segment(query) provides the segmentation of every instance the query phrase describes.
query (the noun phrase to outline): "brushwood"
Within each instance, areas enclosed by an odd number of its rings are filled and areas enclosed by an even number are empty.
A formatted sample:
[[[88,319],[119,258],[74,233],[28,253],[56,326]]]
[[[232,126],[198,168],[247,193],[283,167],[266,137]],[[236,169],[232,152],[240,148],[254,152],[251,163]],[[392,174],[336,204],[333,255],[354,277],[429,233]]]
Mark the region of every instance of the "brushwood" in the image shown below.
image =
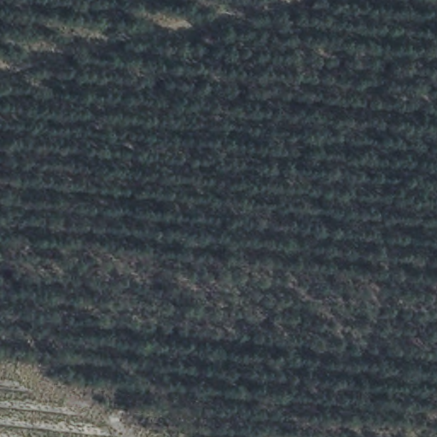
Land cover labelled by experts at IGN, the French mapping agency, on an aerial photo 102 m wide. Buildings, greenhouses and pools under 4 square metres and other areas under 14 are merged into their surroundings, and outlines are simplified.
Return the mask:
[[[80,280],[85,277],[89,282],[96,278],[97,273],[102,270],[101,266],[97,266],[96,258],[90,258],[90,251],[72,251],[70,258],[73,259],[73,266],[70,277]]]
[[[437,277],[437,268],[411,263],[389,263],[389,271],[403,270],[408,275]]]
[[[0,147],[12,140],[27,140],[39,145],[65,143],[79,147],[90,143],[94,149],[104,147],[123,152],[143,152],[147,150],[147,137],[152,135],[265,145],[270,130],[314,133],[316,123],[239,118],[234,114],[212,114],[205,111],[184,113],[184,119],[203,121],[203,130],[159,126],[145,128],[104,123],[104,114],[167,118],[176,111],[179,101],[196,102],[198,92],[205,85],[203,75],[176,75],[174,67],[212,65],[229,70],[229,61],[215,56],[215,51],[220,50],[225,41],[225,36],[207,38],[201,44],[205,46],[205,55],[201,56],[126,50],[119,56],[121,60],[162,61],[166,65],[166,72],[155,72],[152,79],[154,84],[145,89],[121,84],[80,84],[82,73],[128,77],[128,70],[101,67],[77,60],[73,56],[68,60],[70,70],[75,72],[72,80],[48,79],[50,99],[0,94],[0,126],[3,123],[32,126],[32,118],[46,118],[46,126],[50,128],[90,128],[96,131],[96,137],[51,137],[44,133],[34,135],[29,131],[5,131],[0,128]],[[70,111],[73,102],[67,101],[67,94],[160,97],[166,99],[167,106],[149,108],[92,102],[90,113],[77,113]]]
[[[222,94],[210,92],[207,96],[208,104],[236,108],[246,104],[249,92],[258,92],[259,82],[237,80],[239,92],[236,97],[229,99]]]
[[[287,113],[319,113],[362,121],[384,119],[387,123],[420,125],[425,111],[437,106],[437,99],[430,99],[428,94],[420,97],[410,92],[389,94],[386,89],[389,84],[425,84],[430,90],[437,89],[437,79],[417,73],[394,73],[394,67],[423,67],[437,70],[437,58],[427,60],[410,56],[382,55],[381,70],[357,70],[352,67],[348,51],[324,50],[319,46],[318,55],[329,60],[336,58],[338,67],[314,67],[307,38],[338,38],[350,43],[389,46],[406,44],[411,48],[437,50],[437,39],[393,34],[396,27],[437,31],[437,19],[389,20],[372,15],[338,14],[335,22],[387,27],[384,36],[365,36],[360,32],[302,27],[299,24],[299,17],[290,19],[290,27],[299,38],[299,44],[287,46],[282,55],[300,53],[300,65],[282,65],[270,60],[258,63],[259,55],[273,51],[273,38],[283,38],[283,31],[278,26],[259,26],[256,20],[249,24],[248,31],[266,34],[266,43],[236,41],[237,51],[251,51],[249,60],[241,60],[241,67],[246,72],[263,73],[266,70],[273,70],[275,73],[312,73],[318,77],[333,75],[335,80],[331,85],[299,84],[304,92],[357,97],[365,101],[364,108],[340,108],[335,104],[321,101],[287,101],[278,97],[268,97],[261,109],[283,109]],[[341,87],[343,79],[358,82],[364,79],[377,79],[377,85],[365,90],[350,87],[345,89]],[[376,101],[417,102],[418,108],[410,113],[382,111],[376,109]]]
[[[24,227],[24,218],[58,218],[63,220],[63,227]],[[162,295],[171,290],[178,283],[178,277],[166,280],[164,271],[193,271],[196,263],[137,258],[130,249],[181,251],[184,242],[77,232],[70,230],[70,225],[79,222],[79,213],[36,208],[27,210],[20,208],[19,205],[14,207],[0,203],[0,239],[3,236],[24,236],[56,241],[101,244],[109,242],[123,248],[119,259],[130,265],[131,270],[152,271],[154,275],[150,278],[150,288],[157,290],[160,290]]]
[[[430,338],[432,343],[437,343],[437,314],[418,314],[405,311],[401,307],[398,309],[398,316],[394,318],[393,326],[415,329],[415,336],[420,340]]]
[[[422,254],[437,258],[437,248],[411,244],[386,246],[386,253],[389,254]]]
[[[437,0],[364,0],[362,5],[387,10],[437,10]]]
[[[432,411],[430,417],[427,413],[403,413],[403,418],[415,423],[425,423],[427,427],[437,427],[437,411]]]
[[[130,229],[150,229],[159,232],[184,230],[189,234],[210,236],[224,234],[232,220],[239,217],[241,210],[229,207],[213,208],[210,205],[188,205],[183,201],[159,201],[150,198],[143,200],[137,196],[102,195],[102,188],[133,188],[140,191],[157,189],[162,193],[186,193],[215,198],[227,196],[258,203],[287,201],[292,205],[336,208],[343,212],[376,210],[406,217],[437,218],[437,208],[399,207],[377,201],[365,203],[355,200],[328,200],[326,196],[329,189],[347,191],[347,181],[323,181],[299,176],[288,178],[287,174],[288,167],[295,166],[311,171],[341,169],[347,172],[362,172],[367,176],[398,178],[398,184],[357,184],[355,193],[377,195],[399,193],[413,178],[437,181],[437,137],[406,135],[405,131],[376,128],[328,126],[328,133],[333,137],[345,135],[374,140],[401,140],[403,147],[396,150],[379,149],[372,145],[326,143],[324,152],[352,154],[355,157],[376,154],[381,159],[411,157],[415,160],[415,167],[394,169],[353,166],[352,162],[347,160],[312,160],[318,152],[318,147],[306,142],[297,142],[297,157],[271,157],[239,152],[229,152],[225,155],[225,160],[229,162],[239,160],[244,164],[277,166],[277,176],[266,176],[253,171],[218,171],[212,166],[195,167],[193,160],[205,159],[213,149],[162,147],[155,162],[113,157],[104,159],[85,154],[63,155],[56,152],[38,154],[31,150],[3,152],[0,149],[0,179],[43,178],[61,183],[92,183],[96,186],[94,193],[70,193],[55,189],[15,188],[5,186],[0,181],[0,198],[3,195],[15,195],[22,201],[65,201],[97,207],[138,208],[154,212],[220,217],[220,225],[155,222],[108,215],[87,217],[89,224],[113,227],[126,225]],[[89,174],[43,171],[44,162],[82,164],[89,167]],[[225,186],[213,188],[138,179],[104,179],[97,174],[97,167],[167,172],[183,176],[191,174],[220,181],[224,179]],[[241,181],[302,186],[302,195],[254,195],[244,189],[232,189],[232,184]]]
[[[131,0],[135,5],[154,9],[195,7],[196,10],[203,7],[203,3],[198,0]]]
[[[300,288],[316,288],[323,292],[324,285],[336,285],[336,278],[333,275],[321,273],[318,277],[311,278],[304,271],[295,271],[294,278]]]
[[[7,29],[24,32],[26,24],[0,17],[0,32]]]
[[[316,376],[319,379],[338,379],[362,384],[369,382],[387,386],[408,386],[410,393],[387,394],[387,399],[406,405],[437,405],[437,381],[410,381],[406,377],[329,370],[328,367],[329,362],[386,362],[398,369],[417,367],[423,370],[437,370],[437,360],[398,357],[401,348],[413,347],[410,336],[381,335],[369,333],[369,341],[362,350],[347,347],[343,352],[314,352],[311,347],[314,340],[323,340],[326,343],[340,341],[335,331],[340,331],[340,323],[329,323],[329,319],[323,318],[318,312],[278,307],[280,299],[297,300],[299,297],[299,290],[288,287],[278,287],[277,277],[285,277],[285,273],[282,270],[273,270],[275,261],[307,261],[314,265],[381,271],[381,261],[367,261],[367,254],[370,251],[379,251],[377,244],[374,241],[360,239],[333,239],[283,230],[261,230],[261,220],[275,224],[323,225],[328,230],[379,230],[381,234],[391,236],[437,239],[437,227],[432,229],[420,225],[387,225],[379,220],[358,222],[340,220],[329,215],[254,212],[251,218],[253,229],[237,227],[234,236],[237,239],[271,239],[294,241],[297,244],[309,244],[319,248],[355,249],[357,259],[246,248],[244,258],[256,261],[253,265],[246,263],[246,266],[234,266],[229,261],[229,248],[225,244],[207,244],[195,246],[193,254],[213,256],[213,265],[208,270],[213,278],[208,282],[212,283],[218,292],[227,294],[237,294],[239,287],[246,285],[251,292],[251,299],[256,304],[275,309],[275,328],[270,335],[300,338],[302,347],[299,348],[297,355],[319,360],[318,369],[306,369],[307,379]]]
[[[80,19],[108,19],[109,27],[111,31],[119,29],[121,20],[133,22],[133,14],[123,10],[123,0],[116,0],[114,9],[80,10],[77,7],[5,0],[0,0],[0,10],[36,12],[43,15],[58,14],[60,17]]]

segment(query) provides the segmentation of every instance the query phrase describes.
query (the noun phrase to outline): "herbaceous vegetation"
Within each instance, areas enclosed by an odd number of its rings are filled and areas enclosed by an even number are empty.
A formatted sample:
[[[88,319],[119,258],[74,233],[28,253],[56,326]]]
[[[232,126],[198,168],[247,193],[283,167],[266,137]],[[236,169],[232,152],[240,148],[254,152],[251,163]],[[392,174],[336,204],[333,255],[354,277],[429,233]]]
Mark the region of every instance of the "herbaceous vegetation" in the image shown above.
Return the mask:
[[[63,277],[63,268],[58,265],[58,249],[0,244],[0,277],[7,278],[10,287],[19,290],[26,285],[31,275],[38,278]]]
[[[411,428],[406,434],[405,430],[399,430],[398,434],[391,434],[389,430],[382,430],[381,427],[376,430],[353,430],[341,425],[324,427],[304,423],[304,415],[379,417],[394,420],[403,418],[403,413],[382,408],[382,401],[387,399],[387,394],[370,393],[369,399],[374,403],[374,408],[369,410],[362,406],[343,406],[341,399],[350,396],[362,398],[362,391],[311,387],[307,384],[307,379],[306,369],[282,365],[285,382],[253,379],[224,381],[218,377],[207,376],[207,369],[268,374],[271,365],[266,362],[239,364],[232,360],[205,360],[195,355],[137,353],[106,345],[92,348],[89,345],[73,345],[65,341],[51,343],[44,338],[36,343],[31,335],[27,335],[26,341],[20,341],[15,336],[3,335],[0,331],[0,350],[10,348],[34,355],[75,353],[90,357],[113,358],[116,367],[75,365],[75,374],[82,377],[101,377],[99,386],[79,386],[84,401],[96,401],[111,413],[123,410],[125,417],[133,418],[137,425],[159,434],[160,437],[227,437],[213,435],[208,427],[251,427],[256,430],[273,428],[278,432],[297,430],[309,434],[323,434],[324,437],[428,437],[427,434],[420,434],[418,428]],[[179,372],[169,374],[171,382],[183,384],[184,394],[164,391],[159,367],[169,364],[196,367],[196,374],[193,376]],[[149,389],[145,393],[130,393],[125,389],[118,391],[113,384],[113,379],[135,381],[140,377],[149,381]],[[181,411],[171,415],[166,413],[160,418],[143,417],[140,408],[152,403],[195,405],[195,389],[200,384],[229,389],[244,387],[249,393],[249,399],[208,396],[201,406],[200,417],[196,417],[195,413]],[[268,389],[268,393],[331,396],[335,398],[335,405],[263,403],[258,398],[256,389]],[[212,406],[237,406],[246,410],[258,408],[263,413],[280,411],[283,413],[283,420],[210,417],[208,408]]]
[[[58,374],[65,374],[65,364],[50,362],[50,365],[39,365],[41,374],[53,379]]]
[[[131,270],[130,273],[111,270],[108,273],[102,270],[97,273],[96,278],[106,283],[130,282],[130,288],[119,292],[114,292],[113,288],[96,290],[90,287],[89,282],[85,277],[80,280],[80,287],[72,287],[70,283],[53,282],[53,288],[55,294],[87,297],[90,300],[89,309],[63,304],[46,306],[41,300],[0,297],[0,312],[3,309],[32,311],[38,314],[58,312],[60,323],[51,324],[53,335],[67,333],[73,336],[119,336],[125,341],[157,341],[160,345],[196,345],[249,355],[287,355],[288,348],[285,347],[239,341],[242,333],[248,336],[254,333],[270,335],[275,328],[275,309],[256,304],[251,299],[251,292],[246,285],[239,287],[237,294],[227,294],[218,292],[212,283],[208,282],[186,282],[188,277],[178,277],[178,283],[193,292],[201,290],[205,294],[207,304],[203,316],[200,319],[188,318],[186,311],[189,307],[195,306],[196,299],[191,295],[171,295],[171,290],[162,295],[159,306],[171,304],[174,306],[174,314],[169,316],[150,311],[157,290],[150,288],[150,278],[154,275],[152,271]],[[118,302],[135,299],[137,307],[123,311],[102,309],[96,306],[97,300],[106,297]],[[70,318],[108,318],[113,321],[113,328],[75,328],[68,324]]]
[[[413,347],[401,348],[398,357],[437,360],[437,343],[432,343],[430,338],[420,340],[415,336],[410,336]]]
[[[162,12],[157,12],[157,14],[154,14],[154,12],[150,12],[150,10],[147,10],[147,12],[145,12],[145,17],[143,17],[143,19],[154,20],[155,24],[157,24],[159,24],[159,26],[162,27],[166,26],[167,22],[169,22],[169,19],[171,19],[171,17],[171,15],[162,14]]]
[[[384,326],[393,326],[394,318],[398,316],[398,309],[401,307],[405,311],[418,314],[437,314],[437,306],[422,302],[411,304],[396,299],[394,295],[384,299],[379,295],[379,290],[399,288],[410,290],[411,294],[437,295],[437,287],[406,280],[401,282],[396,278],[376,280],[362,275],[358,280],[333,275],[336,278],[336,285],[324,285],[323,292],[316,288],[300,288],[294,278],[288,287],[299,290],[299,297],[302,300],[321,302],[323,306],[318,312],[323,318],[329,319],[329,323],[340,323],[340,331],[335,331],[340,341],[345,341],[347,347],[362,350],[369,341],[369,333],[381,335]],[[357,295],[358,288],[362,287],[372,288],[370,304],[377,307],[377,318],[370,318],[365,314],[364,299]]]
[[[7,321],[0,316],[0,329],[19,326],[20,329],[38,333],[39,324],[29,323],[24,319]]]

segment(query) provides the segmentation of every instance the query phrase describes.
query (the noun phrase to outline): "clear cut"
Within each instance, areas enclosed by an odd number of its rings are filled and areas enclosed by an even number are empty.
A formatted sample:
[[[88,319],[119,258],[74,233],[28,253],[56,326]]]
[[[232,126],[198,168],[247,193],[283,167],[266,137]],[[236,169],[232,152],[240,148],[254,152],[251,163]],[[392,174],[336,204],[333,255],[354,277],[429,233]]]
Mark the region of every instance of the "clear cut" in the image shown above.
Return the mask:
[[[0,437],[160,437],[159,434],[137,425],[133,418],[125,417],[123,410],[111,413],[96,401],[84,401],[79,386],[65,386],[63,382],[53,379],[41,374],[39,365],[3,362],[0,365]]]

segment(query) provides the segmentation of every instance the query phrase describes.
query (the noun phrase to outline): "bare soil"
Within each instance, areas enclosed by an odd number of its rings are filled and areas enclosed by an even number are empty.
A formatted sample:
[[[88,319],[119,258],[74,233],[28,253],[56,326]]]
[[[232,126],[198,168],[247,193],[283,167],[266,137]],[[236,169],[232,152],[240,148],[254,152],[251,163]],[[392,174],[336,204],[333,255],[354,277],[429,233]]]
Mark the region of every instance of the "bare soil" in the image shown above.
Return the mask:
[[[256,17],[270,15],[273,12],[287,12],[290,19],[299,17],[309,17],[312,10],[316,9],[314,3],[318,0],[277,0],[268,5],[222,5],[220,10],[224,14],[218,15],[217,19],[201,20],[191,26],[186,19],[171,17],[171,19],[169,19],[169,22],[167,22],[166,26],[162,27],[159,26],[159,24],[157,24],[154,29],[145,32],[121,32],[119,29],[111,31],[109,27],[99,34],[87,27],[77,26],[77,29],[68,31],[68,43],[61,46],[48,43],[44,39],[24,41],[20,46],[22,50],[27,51],[24,60],[3,61],[0,58],[0,89],[3,85],[26,85],[29,82],[27,75],[38,70],[70,70],[68,60],[73,56],[77,60],[82,50],[87,50],[90,55],[99,58],[114,53],[119,56],[126,50],[126,43],[145,43],[157,39],[160,43],[201,44],[207,38],[225,36],[229,29],[248,31],[249,24],[256,20]]]

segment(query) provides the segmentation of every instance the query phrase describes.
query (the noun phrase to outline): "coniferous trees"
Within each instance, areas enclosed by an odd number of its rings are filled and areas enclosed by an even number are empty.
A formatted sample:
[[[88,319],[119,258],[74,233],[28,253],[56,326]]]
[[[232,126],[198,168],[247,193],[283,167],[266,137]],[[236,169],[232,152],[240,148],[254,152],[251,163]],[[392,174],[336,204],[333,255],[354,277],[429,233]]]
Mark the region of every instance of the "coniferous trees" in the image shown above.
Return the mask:
[[[131,270],[130,265],[119,259],[123,248],[109,242],[101,244],[56,241],[24,236],[3,236],[0,239],[0,244],[58,249],[58,265],[63,268],[63,277],[38,278],[31,275],[26,285],[19,290],[10,287],[7,278],[0,277],[0,297],[41,300],[46,306],[63,304],[89,309],[90,300],[87,297],[55,294],[53,288],[53,282],[70,283],[72,287],[80,287],[80,280],[70,277],[73,266],[73,259],[70,258],[72,251],[90,251],[90,258],[96,258],[97,266],[101,266],[102,270],[108,273],[111,270],[130,273]]]
[[[5,0],[77,7],[80,10],[114,9],[116,0]]]
[[[27,51],[22,50],[20,46],[24,41],[44,39],[48,43],[61,46],[68,43],[68,31],[77,29],[77,26],[87,27],[99,34],[109,27],[108,19],[80,19],[60,17],[58,14],[43,15],[36,12],[0,10],[0,17],[26,24],[24,32],[7,29],[0,32],[0,58],[3,61],[24,60]]]
[[[297,430],[278,432],[273,428],[256,430],[251,427],[208,427],[213,435],[227,437],[324,437],[323,434],[309,434]]]
[[[70,111],[77,113],[90,113],[92,102],[149,108],[167,106],[166,99],[160,97],[67,94],[67,101],[73,102]]]
[[[232,360],[239,364],[266,362],[271,365],[268,374],[207,369],[207,376],[218,377],[224,381],[253,379],[285,382],[282,365],[306,369],[318,369],[319,360],[297,355],[299,348],[302,347],[300,338],[270,335],[254,333],[248,336],[242,333],[239,341],[285,347],[288,348],[287,355],[249,355],[196,345],[160,345],[157,341],[125,341],[119,336],[73,336],[67,333],[53,335],[51,324],[60,323],[58,312],[38,314],[32,311],[3,309],[0,312],[0,316],[7,321],[24,319],[29,323],[39,324],[38,333],[20,329],[19,326],[0,329],[0,331],[3,335],[15,336],[20,341],[26,341],[27,335],[31,335],[36,343],[44,338],[51,343],[65,341],[73,345],[89,345],[92,348],[106,345],[137,353],[195,355],[205,360]]]
[[[357,70],[381,70],[382,55],[410,56],[427,60],[437,58],[437,50],[411,48],[406,44],[389,46],[350,43],[338,38],[307,38],[314,67],[338,67],[336,58],[329,60],[318,55],[319,46],[324,50],[348,51],[352,67]]]
[[[208,408],[210,417],[283,420],[283,413],[280,411],[263,413],[258,408],[246,410],[237,406],[212,406]]]
[[[145,89],[154,84],[152,79],[155,72],[166,72],[166,65],[162,61],[121,60],[119,56],[114,53],[99,58],[90,55],[87,50],[82,50],[77,60],[101,67],[128,70],[128,77],[82,73],[80,84],[121,84]]]
[[[205,46],[201,44],[160,43],[157,39],[145,43],[126,43],[126,50],[201,56],[205,55]]]
[[[430,417],[432,411],[437,411],[437,405],[406,405],[387,399],[382,401],[382,408],[403,413],[427,413]]]
[[[256,17],[256,20],[259,26],[278,26],[283,31],[283,38],[273,38],[273,51],[259,55],[258,63],[270,60],[282,65],[300,65],[300,53],[282,55],[287,46],[299,44],[299,38],[290,27],[290,19],[287,12],[273,12],[270,15]]]
[[[157,14],[157,12],[162,12],[162,14],[171,15],[171,17],[186,19],[191,26],[201,20],[217,19],[218,15],[224,14],[220,10],[222,5],[268,5],[277,0],[198,0],[203,3],[203,7],[196,10],[195,7],[154,9],[135,5],[131,0],[123,0],[123,10],[133,14],[133,22],[121,20],[119,29],[121,32],[145,32],[154,29],[157,24],[155,24],[154,20],[143,19],[143,17],[145,17],[145,12],[147,12],[147,10],[150,10],[150,12],[154,12],[154,14]]]
[[[376,101],[376,109],[382,111],[410,113],[418,108],[417,102]]]
[[[90,287],[96,290],[113,288],[114,292],[119,292],[130,288],[130,282],[106,283],[96,278],[89,282]]]
[[[50,365],[50,362],[65,364],[65,374],[58,374],[53,379],[63,382],[65,386],[79,386],[99,386],[101,377],[82,377],[75,374],[75,365],[116,367],[113,358],[90,357],[75,353],[34,355],[10,348],[0,350],[0,365],[3,362],[39,365]]]
[[[335,22],[338,14],[372,15],[389,20],[437,19],[437,10],[387,10],[362,5],[364,0],[318,0],[314,3],[316,9],[312,10],[309,17],[299,17],[299,24],[302,27],[360,32],[365,36],[384,36],[387,27]]]
[[[171,295],[191,295],[196,299],[195,306],[189,307],[186,311],[188,318],[200,319],[203,316],[207,304],[205,294],[201,290],[193,292],[178,283],[171,290]]]
[[[437,39],[437,31],[396,27],[393,34]]]
[[[43,178],[0,179],[0,181],[5,186],[15,188],[55,189],[70,193],[94,193],[96,186],[92,183],[61,183]]]
[[[27,210],[36,208],[79,213],[79,222],[70,225],[70,230],[77,232],[184,242],[181,251],[130,249],[137,258],[196,263],[193,271],[164,271],[166,280],[178,277],[188,277],[186,282],[208,282],[213,278],[208,270],[213,265],[213,256],[193,254],[195,246],[207,244],[225,244],[229,248],[229,261],[234,266],[246,266],[246,263],[253,265],[256,261],[244,258],[246,248],[357,259],[355,249],[319,248],[309,244],[297,244],[294,241],[271,239],[237,239],[234,236],[237,227],[253,229],[251,218],[254,212],[329,215],[340,220],[358,222],[379,220],[387,225],[420,225],[432,229],[437,227],[437,218],[406,217],[376,210],[343,212],[336,208],[292,205],[287,201],[258,203],[227,196],[215,198],[186,193],[162,193],[157,189],[140,191],[133,188],[102,188],[102,195],[137,196],[143,200],[150,198],[159,201],[183,201],[188,205],[210,205],[213,208],[229,207],[241,210],[239,217],[232,220],[224,234],[210,236],[189,234],[184,230],[159,232],[150,229],[130,229],[126,225],[113,227],[89,224],[87,217],[108,215],[155,222],[220,225],[220,217],[154,212],[138,208],[97,207],[65,201],[22,201],[15,195],[3,195],[0,198],[0,203],[14,207],[19,205],[20,208]]]
[[[24,218],[24,227],[63,227],[63,220],[58,218]]]
[[[365,90],[377,85],[377,79],[364,79],[358,82],[343,79],[341,87],[345,89],[350,87]]]
[[[294,278],[295,271],[304,271],[311,278],[318,277],[321,273],[333,275],[358,280],[362,275],[376,280],[396,278],[401,282],[406,280],[437,287],[437,277],[408,275],[403,270],[389,271],[389,263],[411,263],[437,268],[437,258],[422,254],[389,254],[386,253],[386,246],[411,244],[437,248],[437,239],[391,236],[381,234],[379,230],[328,230],[323,225],[275,224],[261,220],[261,230],[283,230],[333,239],[360,239],[374,241],[377,244],[379,251],[370,251],[367,254],[367,261],[381,261],[381,271],[314,265],[307,261],[275,261],[273,270],[282,270],[285,273],[285,277],[277,277],[278,287],[288,287]]]
[[[113,328],[113,321],[108,318],[70,318],[68,324],[75,328]]]
[[[406,434],[411,428],[418,428],[420,434],[427,434],[428,437],[437,437],[437,427],[427,427],[425,423],[415,423],[403,418],[394,420],[379,417],[304,415],[304,423],[324,427],[341,425],[353,430],[376,430],[381,427],[382,430],[389,430],[391,434],[398,434],[399,430],[405,430]]]
[[[415,329],[393,326],[384,326],[381,335],[410,336],[415,336]]]
[[[263,403],[335,405],[335,398],[331,396],[268,393],[268,389],[256,389],[258,398]]]
[[[44,162],[43,171],[89,174],[89,167],[82,164]]]
[[[372,288],[362,287],[358,288],[357,295],[364,299],[365,314],[370,318],[377,318],[377,307],[370,304]]]
[[[410,290],[399,288],[379,290],[379,295],[384,299],[394,295],[396,299],[411,304],[422,302],[437,306],[437,295],[411,294]]]
[[[318,312],[323,306],[321,302],[302,300],[299,297],[297,300],[280,299],[278,307]]]
[[[46,126],[46,118],[32,118],[32,126],[3,123],[0,126],[0,128],[5,131],[29,131],[34,135],[44,133],[51,137],[96,137],[96,131],[90,128],[50,128]]]
[[[420,97],[428,94],[430,99],[437,99],[437,89],[430,90],[425,84],[389,84],[386,89],[389,94],[410,92]]]
[[[399,193],[377,195],[355,193],[357,184],[398,184],[398,178],[367,176],[362,172],[347,172],[341,169],[311,171],[295,166],[288,167],[287,174],[288,178],[299,176],[323,181],[347,181],[347,191],[329,189],[326,196],[328,200],[355,200],[365,203],[377,201],[399,207],[437,208],[437,181],[413,178]]]
[[[201,406],[208,396],[249,399],[249,393],[244,387],[229,389],[200,384],[195,389],[195,405],[152,403],[140,408],[143,417],[160,418],[166,413],[171,415],[181,411],[195,413],[196,417],[200,417]]]
[[[118,302],[106,297],[97,300],[96,306],[102,309],[123,311],[137,307],[135,299]]]
[[[179,372],[193,376],[196,374],[196,367],[169,364],[159,367],[164,391],[184,394],[183,384],[171,382],[169,374]]]
[[[338,379],[319,379],[316,376],[307,379],[307,384],[311,387],[362,391],[362,398],[350,396],[341,399],[343,406],[362,406],[369,410],[374,408],[374,403],[369,399],[370,393],[387,394],[410,393],[408,386],[387,386],[369,382],[362,384]]]
[[[150,311],[169,316],[174,314],[174,306],[171,304],[159,306],[162,295],[160,290],[157,290]]]
[[[329,370],[406,377],[410,381],[437,381],[437,370],[423,370],[417,367],[398,369],[386,362],[329,362],[328,367]]]
[[[244,189],[254,195],[302,195],[302,186],[241,181],[232,184],[232,189]]]
[[[70,70],[38,70],[27,75],[29,82],[26,85],[3,85],[0,89],[0,94],[50,99],[48,79],[72,80],[75,72]]]
[[[314,340],[311,347],[314,352],[343,352],[347,347],[345,341],[340,341],[326,343],[323,340]]]
[[[394,73],[417,73],[437,79],[437,70],[423,67],[394,67]]]
[[[113,384],[118,391],[125,389],[130,393],[145,393],[149,389],[149,381],[140,377],[135,381],[113,379]]]
[[[213,188],[225,186],[224,179],[220,181],[191,174],[183,176],[167,172],[97,167],[97,174],[104,179],[138,179]]]
[[[229,152],[239,152],[271,157],[297,157],[297,142],[306,142],[318,147],[318,152],[312,160],[347,160],[352,162],[353,166],[394,169],[415,167],[415,160],[411,157],[381,159],[376,154],[355,157],[352,154],[324,152],[326,143],[372,145],[379,149],[396,150],[403,147],[401,140],[374,140],[345,135],[333,137],[328,133],[328,126],[376,128],[405,131],[406,135],[437,137],[437,106],[425,111],[420,125],[387,123],[384,119],[362,121],[319,113],[287,113],[283,109],[261,109],[268,97],[278,97],[287,101],[321,101],[335,104],[340,108],[364,108],[365,101],[357,97],[304,92],[299,84],[331,85],[335,80],[333,75],[318,77],[312,73],[275,73],[273,70],[266,70],[263,73],[246,72],[241,67],[241,60],[249,60],[251,51],[237,51],[236,41],[266,43],[266,34],[248,31],[229,29],[225,36],[225,41],[220,50],[215,51],[215,56],[229,61],[229,70],[212,65],[174,67],[176,75],[203,75],[205,85],[198,92],[196,102],[179,101],[176,111],[167,118],[104,114],[104,123],[145,128],[159,126],[203,130],[203,121],[184,119],[184,113],[205,111],[212,114],[234,114],[239,118],[316,123],[314,133],[270,130],[265,145],[152,135],[147,137],[147,150],[143,152],[123,152],[104,147],[94,149],[90,143],[79,147],[65,143],[39,145],[27,140],[12,140],[0,147],[0,149],[3,152],[31,150],[38,154],[56,152],[63,155],[85,154],[104,159],[113,157],[155,162],[162,147],[213,149],[205,159],[193,160],[195,167],[212,166],[218,171],[253,171],[266,176],[277,176],[277,166],[244,164],[239,160],[229,162],[225,160],[225,155]],[[249,92],[246,104],[236,108],[208,104],[207,96],[210,92],[222,94],[229,99],[236,97],[239,92],[237,80],[259,82],[258,92]]]

